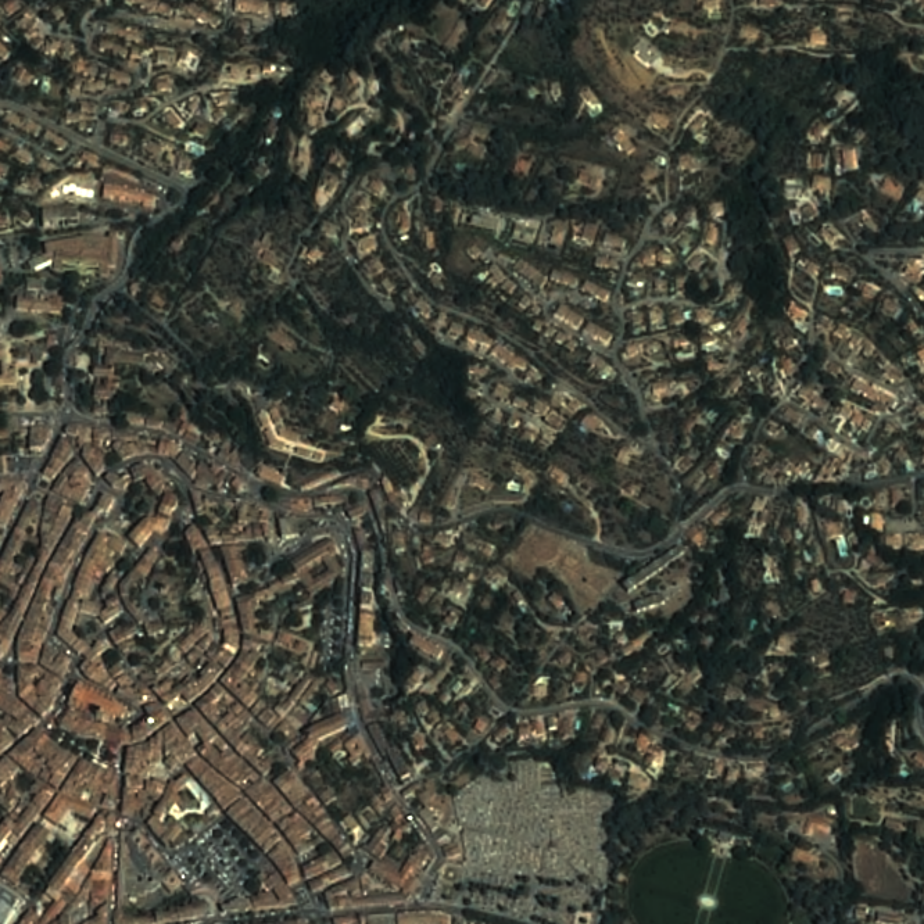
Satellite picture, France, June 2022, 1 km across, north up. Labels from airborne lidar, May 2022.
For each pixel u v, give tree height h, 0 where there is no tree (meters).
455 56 9
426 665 11
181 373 10
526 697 7
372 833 7
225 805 0
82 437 0
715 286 8
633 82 0
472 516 0
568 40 15
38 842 0
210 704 0
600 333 0
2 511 0
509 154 13
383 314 6
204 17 0
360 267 7
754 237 23
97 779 0
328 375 9
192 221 6
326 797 0
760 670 18
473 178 21
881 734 10
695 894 0
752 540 12
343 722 0
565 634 7
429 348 11
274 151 6
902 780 7
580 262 7
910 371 7
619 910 17
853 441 0
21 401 11
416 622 9
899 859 13
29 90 6
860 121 12
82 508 14
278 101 14
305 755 0
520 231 0
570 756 10
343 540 0
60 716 0
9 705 0
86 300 8
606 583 0
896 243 11
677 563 6
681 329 6
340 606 9
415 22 16
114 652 12
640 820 23
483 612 9
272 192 9
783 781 7
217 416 9
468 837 0
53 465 0
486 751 8
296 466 8
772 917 0
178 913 0
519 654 9
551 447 8
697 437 8
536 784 0
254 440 7
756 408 13
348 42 12
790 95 8
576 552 0
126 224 8
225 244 6
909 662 14
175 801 0
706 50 8
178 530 12
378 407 8
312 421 8
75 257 0
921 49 20
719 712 21
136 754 0
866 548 18
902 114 16
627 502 17
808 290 7
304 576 0
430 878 0
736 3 7
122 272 0
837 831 9
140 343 16
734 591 16
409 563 0
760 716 19
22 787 7
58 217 0
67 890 0
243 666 0
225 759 0
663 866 0
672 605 0
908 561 19
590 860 0
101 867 0
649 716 19
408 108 11
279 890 0
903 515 9
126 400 13
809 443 6
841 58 19
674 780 7
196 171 9
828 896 21
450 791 15
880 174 9
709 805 19
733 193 6
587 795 0
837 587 14
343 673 6
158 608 8
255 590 12
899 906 14
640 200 7
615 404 0
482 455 0
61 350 10
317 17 19
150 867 0
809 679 13
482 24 13
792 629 13
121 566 14
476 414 14
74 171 8
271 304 13
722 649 8
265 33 8
